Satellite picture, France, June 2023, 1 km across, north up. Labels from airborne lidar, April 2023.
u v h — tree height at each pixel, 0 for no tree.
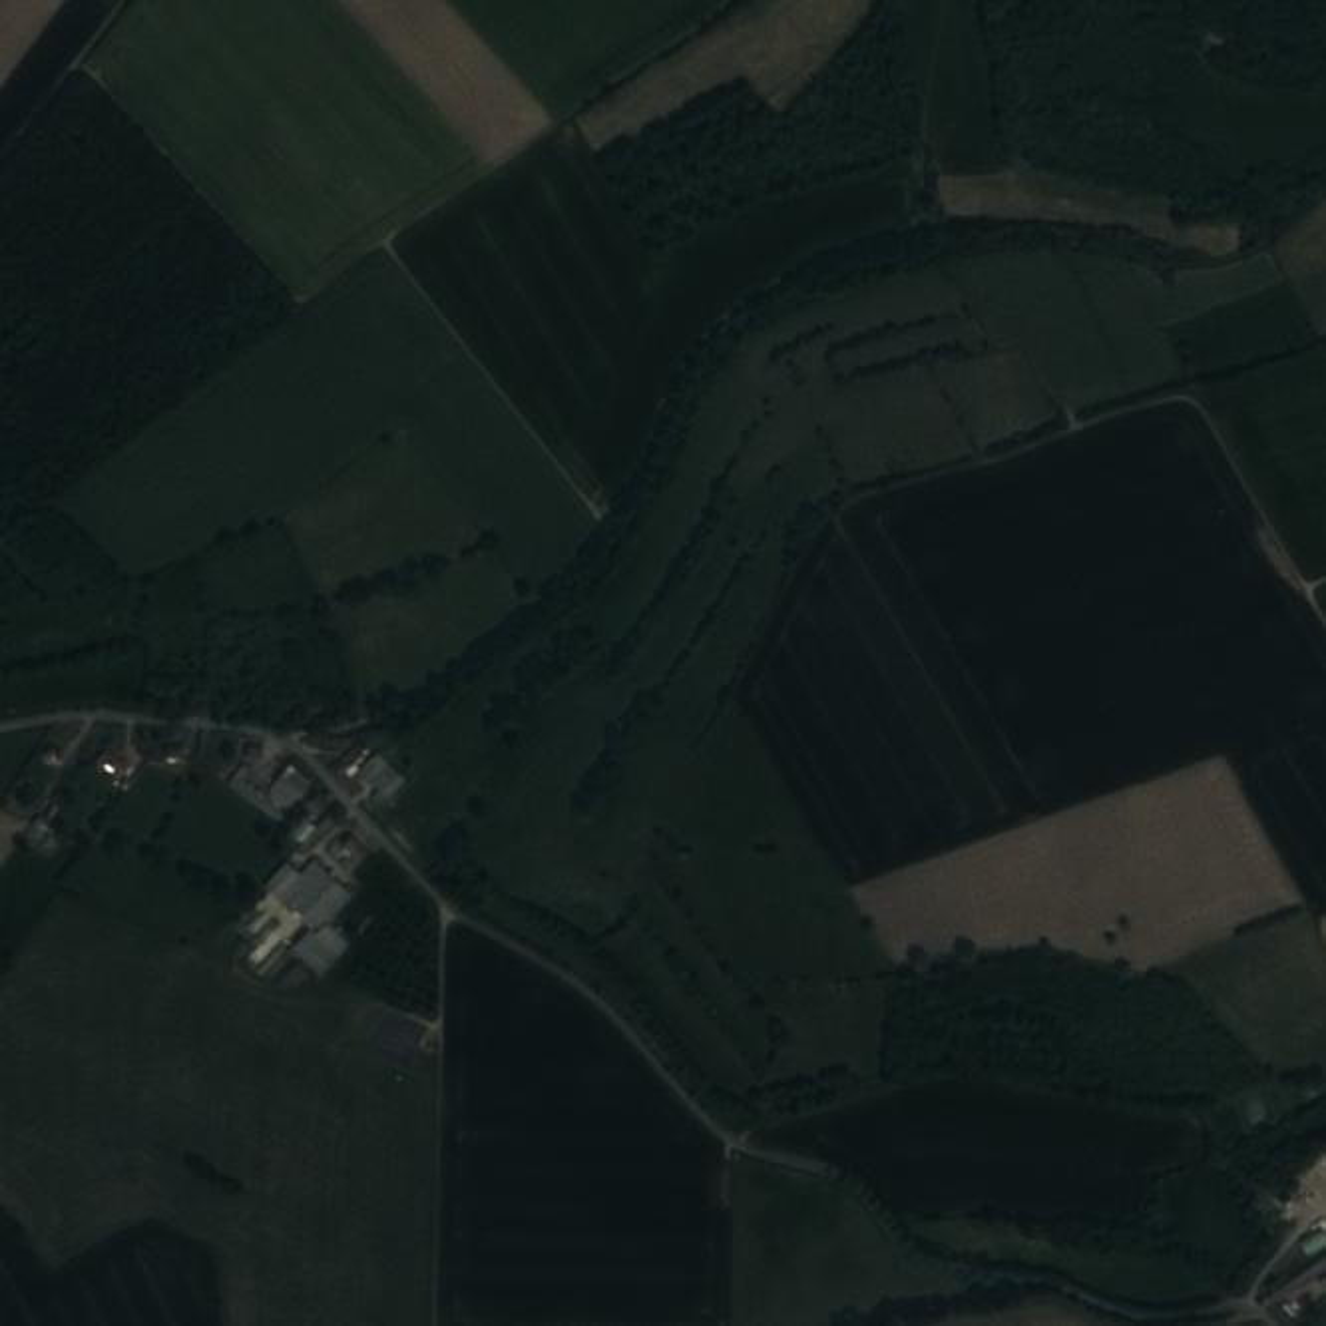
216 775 0
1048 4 20
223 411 0
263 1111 0
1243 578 0
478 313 0
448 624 0
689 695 0
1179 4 19
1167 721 0
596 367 0
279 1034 0
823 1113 0
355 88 0
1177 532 0
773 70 0
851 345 7
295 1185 0
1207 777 0
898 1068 17
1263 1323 0
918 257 11
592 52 0
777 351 7
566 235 0
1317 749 0
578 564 13
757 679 0
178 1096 0
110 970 0
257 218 0
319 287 0
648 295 0
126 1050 0
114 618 0
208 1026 0
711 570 0
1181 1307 7
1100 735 0
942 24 0
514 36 0
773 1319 0
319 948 0
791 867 0
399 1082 0
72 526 15
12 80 0
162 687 7
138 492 0
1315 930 0
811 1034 0
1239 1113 0
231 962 0
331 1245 0
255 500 0
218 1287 0
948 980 12
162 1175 0
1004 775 0
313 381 0
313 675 0
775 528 0
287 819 8
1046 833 0
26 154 13
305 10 0
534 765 0
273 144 0
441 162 0
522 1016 0
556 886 0
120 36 0
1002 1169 0
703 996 11
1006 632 0
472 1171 0
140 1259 0
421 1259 0
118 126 12
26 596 12
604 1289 0
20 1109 0
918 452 0
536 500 0
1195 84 0
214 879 13
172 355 14
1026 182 0
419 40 0
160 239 13
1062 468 0
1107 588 0
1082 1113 0
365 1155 0
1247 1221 6
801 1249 0
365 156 0
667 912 0
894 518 0
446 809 0
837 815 0
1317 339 6
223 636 6
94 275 13
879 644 0
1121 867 0
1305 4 23
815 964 0
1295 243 0
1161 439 0
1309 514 0
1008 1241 0
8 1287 0
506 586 0
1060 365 0
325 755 0
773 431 0
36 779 0
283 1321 0
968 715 0
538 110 0
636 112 0
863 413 0
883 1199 19
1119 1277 0
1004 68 8
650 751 0
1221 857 0
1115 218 0
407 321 0
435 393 0
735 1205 0
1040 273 0
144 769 0
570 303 0
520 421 0
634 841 0
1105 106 7
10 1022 0
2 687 0
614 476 0
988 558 0
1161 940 0
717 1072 0
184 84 0
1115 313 0
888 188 0
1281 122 0
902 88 11
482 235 0
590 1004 0
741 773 0
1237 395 0
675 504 0
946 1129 0
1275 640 0
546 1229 0
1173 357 0
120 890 0
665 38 0
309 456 0
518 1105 0
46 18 0
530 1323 0
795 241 0
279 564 0
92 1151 0
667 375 0
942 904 0
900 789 0
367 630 0
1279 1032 0
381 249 0
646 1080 0
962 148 0
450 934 0
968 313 6
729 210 8
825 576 0
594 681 0
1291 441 0
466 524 0
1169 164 6
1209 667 0
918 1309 16
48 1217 0
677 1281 0
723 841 0
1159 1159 0
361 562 0
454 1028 0
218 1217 0
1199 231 0
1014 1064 21
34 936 0
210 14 0
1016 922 0
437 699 20
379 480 0
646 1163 0
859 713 0
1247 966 0
